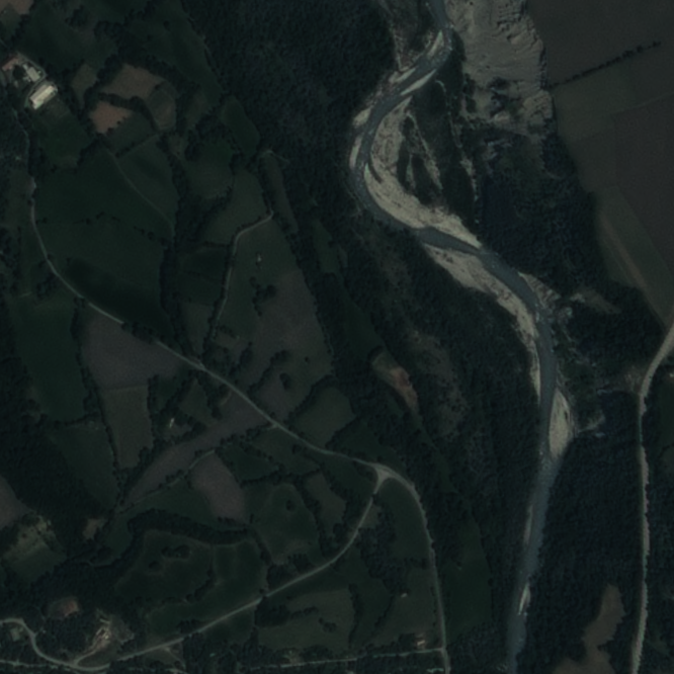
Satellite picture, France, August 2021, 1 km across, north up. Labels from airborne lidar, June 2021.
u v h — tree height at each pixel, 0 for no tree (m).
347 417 0
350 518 9
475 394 11
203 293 0
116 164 0
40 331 0
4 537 15
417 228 0
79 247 0
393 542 9
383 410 23
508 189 18
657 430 19
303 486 11
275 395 0
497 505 16
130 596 0
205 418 0
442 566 12
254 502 0
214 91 0
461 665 17
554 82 0
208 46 8
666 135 0
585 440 10
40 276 0
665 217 0
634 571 19
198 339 0
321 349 0
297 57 11
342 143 16
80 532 13
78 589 16
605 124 0
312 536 0
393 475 0
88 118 19
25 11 0
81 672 0
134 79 0
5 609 16
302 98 7
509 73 0
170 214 0
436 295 11
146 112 12
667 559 9
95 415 9
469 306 11
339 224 12
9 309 14
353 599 7
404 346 7
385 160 0
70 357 0
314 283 12
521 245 19
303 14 13
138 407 0
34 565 0
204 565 0
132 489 9
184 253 17
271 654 10
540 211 11
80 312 11
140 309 0
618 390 0
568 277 13
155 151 0
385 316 13
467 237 0
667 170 0
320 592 0
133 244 0
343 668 8
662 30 0
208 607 0
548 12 0
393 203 0
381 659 9
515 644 0
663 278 0
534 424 13
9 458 19
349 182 8
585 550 15
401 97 0
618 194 0
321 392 13
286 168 12
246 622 0
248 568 0
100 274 0
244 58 10
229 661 11
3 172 13
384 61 14
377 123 0
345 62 6
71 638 12
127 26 11
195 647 7
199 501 0
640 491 14
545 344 0
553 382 0
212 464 0
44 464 25
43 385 0
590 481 14
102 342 0
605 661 0
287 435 0
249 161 12
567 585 16
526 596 0
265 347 0
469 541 0
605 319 16
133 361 0
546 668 22
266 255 0
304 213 21
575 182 11
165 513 11
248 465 0
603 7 0
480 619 0
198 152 21
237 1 13
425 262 12
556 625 14
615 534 18
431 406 13
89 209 0
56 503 22
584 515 23
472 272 0
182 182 13
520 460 12
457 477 15
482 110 0
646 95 0
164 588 0
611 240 0
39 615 12
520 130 0
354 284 15
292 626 0
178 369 0
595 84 0
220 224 0
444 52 0
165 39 0
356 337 0
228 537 11
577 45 0
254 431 13
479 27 0
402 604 0
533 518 0
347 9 9
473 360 13
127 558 14
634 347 12
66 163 0
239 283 0
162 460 0
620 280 0
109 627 0
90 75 0
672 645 17
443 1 0
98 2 0
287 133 10
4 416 36
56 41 0
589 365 0
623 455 10
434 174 0
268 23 13
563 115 0
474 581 0
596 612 14
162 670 7
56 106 0
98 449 0
